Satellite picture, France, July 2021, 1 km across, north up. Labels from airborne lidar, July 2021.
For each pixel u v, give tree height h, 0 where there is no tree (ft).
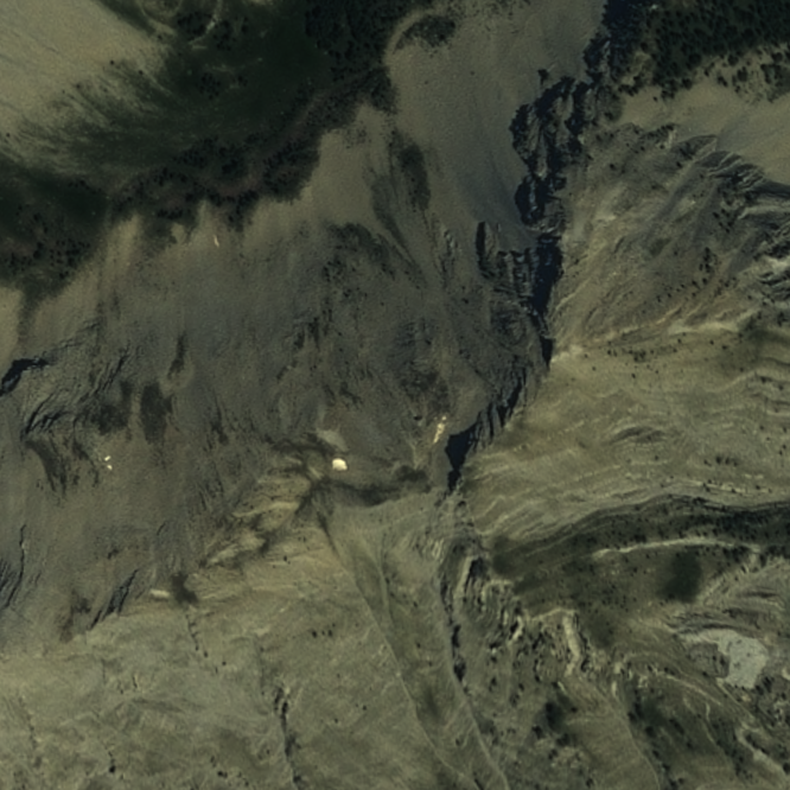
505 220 0
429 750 0
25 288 0
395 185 0
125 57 0
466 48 0
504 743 0
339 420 0
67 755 0
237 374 0
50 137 0
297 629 0
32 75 0
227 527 0
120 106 0
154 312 0
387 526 0
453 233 0
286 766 0
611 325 0
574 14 0
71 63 0
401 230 0
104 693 0
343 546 0
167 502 0
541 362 0
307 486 0
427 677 0
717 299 0
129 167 0
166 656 0
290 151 31
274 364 0
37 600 0
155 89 0
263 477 0
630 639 0
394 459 0
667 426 0
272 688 0
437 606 0
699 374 0
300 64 0
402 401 0
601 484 0
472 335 0
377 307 0
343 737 0
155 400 0
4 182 0
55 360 0
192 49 0
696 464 0
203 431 0
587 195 0
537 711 0
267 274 0
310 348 0
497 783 0
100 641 0
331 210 0
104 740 0
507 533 0
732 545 0
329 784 0
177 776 0
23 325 0
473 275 0
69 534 0
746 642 0
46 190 0
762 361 0
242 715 0
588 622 0
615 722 0
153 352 0
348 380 0
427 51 0
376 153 0
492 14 0
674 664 0
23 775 0
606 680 0
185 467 0
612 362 0
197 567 0
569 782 0
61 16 0
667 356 0
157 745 0
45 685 0
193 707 0
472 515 0
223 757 0
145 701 0
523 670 0
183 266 0
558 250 0
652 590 0
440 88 0
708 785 0
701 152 0
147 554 0
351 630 0
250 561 0
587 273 0
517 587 0
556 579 0
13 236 0
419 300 0
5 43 0
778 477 0
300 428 0
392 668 0
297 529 0
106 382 0
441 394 0
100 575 0
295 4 0
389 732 0
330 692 0
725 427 0
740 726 0
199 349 0
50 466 0
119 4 0
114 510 0
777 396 0
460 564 0
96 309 0
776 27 50
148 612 0
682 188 0
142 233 0
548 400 0
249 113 0
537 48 0
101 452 0
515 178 0
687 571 0
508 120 0
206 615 0
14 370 0
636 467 0
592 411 0
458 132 0
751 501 0
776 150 0
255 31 0
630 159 0
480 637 0
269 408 0
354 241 0
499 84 0
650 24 35
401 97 0
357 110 0
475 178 0
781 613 0
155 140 0
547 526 0
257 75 0
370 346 0
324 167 0
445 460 0
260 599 0
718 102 0
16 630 0
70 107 0
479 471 0
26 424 0
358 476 0
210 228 0
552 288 0
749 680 0
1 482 0
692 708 0
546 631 21
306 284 0
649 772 0
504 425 0
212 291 0
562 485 0
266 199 0
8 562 0
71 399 0
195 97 0
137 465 0
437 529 0
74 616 0
